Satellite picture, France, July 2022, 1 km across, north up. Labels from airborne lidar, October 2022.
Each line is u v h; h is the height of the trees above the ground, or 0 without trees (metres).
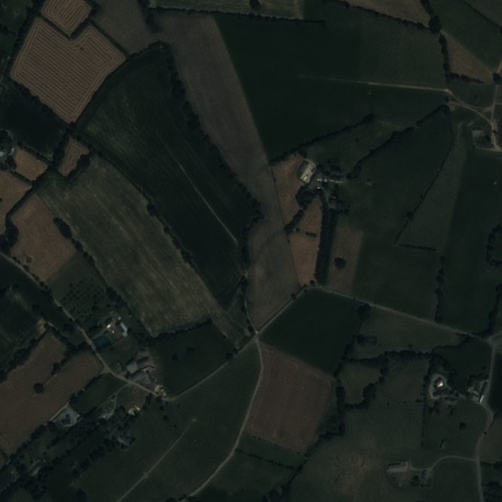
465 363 0
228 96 0
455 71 0
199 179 0
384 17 7
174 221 0
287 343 0
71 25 0
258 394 0
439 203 0
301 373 0
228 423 0
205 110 0
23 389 0
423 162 0
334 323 0
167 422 12
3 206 0
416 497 0
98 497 0
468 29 0
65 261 0
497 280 0
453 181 0
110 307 10
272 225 0
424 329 0
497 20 0
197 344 0
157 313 0
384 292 0
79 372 0
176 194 0
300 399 0
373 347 0
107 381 0
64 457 5
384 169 0
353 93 0
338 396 15
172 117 0
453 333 0
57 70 0
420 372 0
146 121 0
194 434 0
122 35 0
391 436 0
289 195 0
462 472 0
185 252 13
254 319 0
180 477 0
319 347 0
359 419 0
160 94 0
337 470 0
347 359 11
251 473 0
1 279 0
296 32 0
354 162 0
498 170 0
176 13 8
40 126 0
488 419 0
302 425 0
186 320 0
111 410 0
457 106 0
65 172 0
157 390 0
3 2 0
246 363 0
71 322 11
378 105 0
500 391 0
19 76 0
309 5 0
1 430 0
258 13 0
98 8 8
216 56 0
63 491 0
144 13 9
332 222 27
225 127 0
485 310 0
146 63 0
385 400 0
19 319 0
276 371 0
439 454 0
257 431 0
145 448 0
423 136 0
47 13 0
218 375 0
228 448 0
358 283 0
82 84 0
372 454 0
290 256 0
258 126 0
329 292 0
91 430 8
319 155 0
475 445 0
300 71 0
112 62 0
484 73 0
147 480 0
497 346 0
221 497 0
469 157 0
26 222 0
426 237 0
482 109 0
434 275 0
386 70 0
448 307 0
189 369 0
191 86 0
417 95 0
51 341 0
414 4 0
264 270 0
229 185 0
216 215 0
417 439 0
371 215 0
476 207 0
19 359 20
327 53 0
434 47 0
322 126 0
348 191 0
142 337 11
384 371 17
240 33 0
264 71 0
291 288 0
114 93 0
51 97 0
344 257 0
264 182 0
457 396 8
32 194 8
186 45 0
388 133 0
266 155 0
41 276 0
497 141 0
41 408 0
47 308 0
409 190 0
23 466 11
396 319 0
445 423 0
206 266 0
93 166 0
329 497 0
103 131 0
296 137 0
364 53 0
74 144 0
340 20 0
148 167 0
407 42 0
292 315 0
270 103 0
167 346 0
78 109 0
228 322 0
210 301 0
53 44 0
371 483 0
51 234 0
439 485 0
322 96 0
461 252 0
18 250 0
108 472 0
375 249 0
